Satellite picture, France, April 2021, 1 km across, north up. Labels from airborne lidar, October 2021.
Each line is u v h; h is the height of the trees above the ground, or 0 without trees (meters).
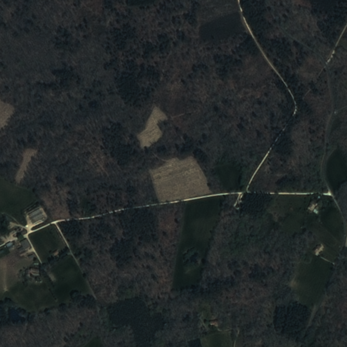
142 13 7
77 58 14
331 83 7
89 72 10
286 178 11
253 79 0
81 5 18
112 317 10
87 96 13
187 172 0
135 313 11
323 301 0
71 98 16
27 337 20
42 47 17
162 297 15
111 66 14
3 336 15
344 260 12
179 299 21
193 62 13
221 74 23
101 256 22
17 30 22
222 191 12
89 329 12
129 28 15
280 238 16
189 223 0
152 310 9
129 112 9
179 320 16
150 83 12
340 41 0
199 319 13
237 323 19
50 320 22
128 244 21
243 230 18
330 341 16
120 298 22
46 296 0
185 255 9
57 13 15
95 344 0
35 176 13
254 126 7
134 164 11
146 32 11
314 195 7
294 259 18
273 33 16
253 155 8
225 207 12
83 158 7
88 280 13
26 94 12
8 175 20
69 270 0
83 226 16
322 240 0
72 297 18
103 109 15
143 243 24
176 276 0
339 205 13
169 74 8
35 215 0
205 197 0
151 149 7
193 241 0
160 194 0
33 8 18
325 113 10
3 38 18
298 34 18
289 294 16
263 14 22
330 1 9
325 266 0
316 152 21
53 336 16
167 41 16
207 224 0
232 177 0
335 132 7
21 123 10
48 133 19
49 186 16
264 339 19
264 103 11
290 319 19
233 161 8
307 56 18
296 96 14
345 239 0
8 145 7
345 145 6
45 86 10
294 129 16
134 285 24
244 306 6
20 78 14
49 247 0
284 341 21
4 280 0
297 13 17
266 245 22
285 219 0
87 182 12
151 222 25
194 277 0
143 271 13
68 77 25
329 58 11
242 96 15
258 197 17
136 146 15
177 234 14
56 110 20
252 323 11
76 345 15
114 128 24
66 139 18
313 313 13
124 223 19
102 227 21
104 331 18
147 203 11
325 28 23
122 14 12
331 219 0
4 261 0
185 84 20
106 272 14
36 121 20
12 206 0
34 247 0
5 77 14
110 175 14
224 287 25
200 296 24
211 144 21
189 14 20
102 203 6
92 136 7
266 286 11
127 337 15
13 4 16
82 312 17
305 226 9
